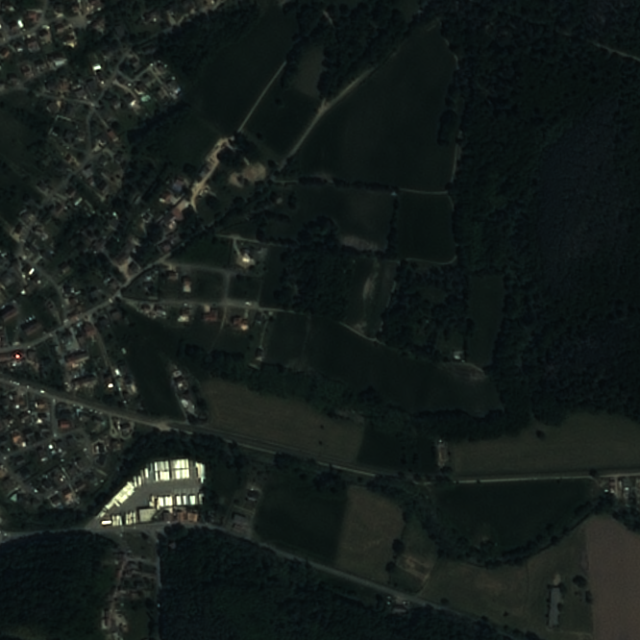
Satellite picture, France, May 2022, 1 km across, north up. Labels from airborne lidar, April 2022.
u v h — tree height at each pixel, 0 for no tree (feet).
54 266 0
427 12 57
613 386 54
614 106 51
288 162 33
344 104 0
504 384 69
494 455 0
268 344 0
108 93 18
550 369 68
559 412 80
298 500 0
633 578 0
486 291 0
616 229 64
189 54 41
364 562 0
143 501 0
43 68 0
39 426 0
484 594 0
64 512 44
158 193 37
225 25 58
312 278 57
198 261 0
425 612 36
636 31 86
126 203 30
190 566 61
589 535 0
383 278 0
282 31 0
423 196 0
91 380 0
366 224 0
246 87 0
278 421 0
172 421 0
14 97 0
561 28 95
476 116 57
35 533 0
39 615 60
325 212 0
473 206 79
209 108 0
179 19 0
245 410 0
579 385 68
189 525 0
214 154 0
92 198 0
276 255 0
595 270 51
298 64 54
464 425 60
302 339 0
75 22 0
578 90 41
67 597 61
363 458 0
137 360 0
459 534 31
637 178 46
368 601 0
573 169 44
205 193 0
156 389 0
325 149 0
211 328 0
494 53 92
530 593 0
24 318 0
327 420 0
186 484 0
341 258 71
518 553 46
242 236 0
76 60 24
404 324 34
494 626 0
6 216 0
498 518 0
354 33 57
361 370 0
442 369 0
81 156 29
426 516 67
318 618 93
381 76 0
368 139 0
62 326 0
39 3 0
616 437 0
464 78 40
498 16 85
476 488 0
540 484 0
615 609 0
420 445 0
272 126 0
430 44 0
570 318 41
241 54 0
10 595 66
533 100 37
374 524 0
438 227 0
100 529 0
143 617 0
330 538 0
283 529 0
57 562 73
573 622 0
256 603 65
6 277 0
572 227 63
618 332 52
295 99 0
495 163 71
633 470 0
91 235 41
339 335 0
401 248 0
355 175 0
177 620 76
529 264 96
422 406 0
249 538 0
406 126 0
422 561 0
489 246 90
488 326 0
